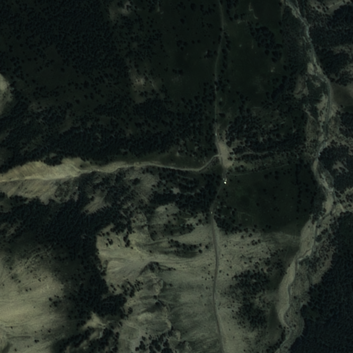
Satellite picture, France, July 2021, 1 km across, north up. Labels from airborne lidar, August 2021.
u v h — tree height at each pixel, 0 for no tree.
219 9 0
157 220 0
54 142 10
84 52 11
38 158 12
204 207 11
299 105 8
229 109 0
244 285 12
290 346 0
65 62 18
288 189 0
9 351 0
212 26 16
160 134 13
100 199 0
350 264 14
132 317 0
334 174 12
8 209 0
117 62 11
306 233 0
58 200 0
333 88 0
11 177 0
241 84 0
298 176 16
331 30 11
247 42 0
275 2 0
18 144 7
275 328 0
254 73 0
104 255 0
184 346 0
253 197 0
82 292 12
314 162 0
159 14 0
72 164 0
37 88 9
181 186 16
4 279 0
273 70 0
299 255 0
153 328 0
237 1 24
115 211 10
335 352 17
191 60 0
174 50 0
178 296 0
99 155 14
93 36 12
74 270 0
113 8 0
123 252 0
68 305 0
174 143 12
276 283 0
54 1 13
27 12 10
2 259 0
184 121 12
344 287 19
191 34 0
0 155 0
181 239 0
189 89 0
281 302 0
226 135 7
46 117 11
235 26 0
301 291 0
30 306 0
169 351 15
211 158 0
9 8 10
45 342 0
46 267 0
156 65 0
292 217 0
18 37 9
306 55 7
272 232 0
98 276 8
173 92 0
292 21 8
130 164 0
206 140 12
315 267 6
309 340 23
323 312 19
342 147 7
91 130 20
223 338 0
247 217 0
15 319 0
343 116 12
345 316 20
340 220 11
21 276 0
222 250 0
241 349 0
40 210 18
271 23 0
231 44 12
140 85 0
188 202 14
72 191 0
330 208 0
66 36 13
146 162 0
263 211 0
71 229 13
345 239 11
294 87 8
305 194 0
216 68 0
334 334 15
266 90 0
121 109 10
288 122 0
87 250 12
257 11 0
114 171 0
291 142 11
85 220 20
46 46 8
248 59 0
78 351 0
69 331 0
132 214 13
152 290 0
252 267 0
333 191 0
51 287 0
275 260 0
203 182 0
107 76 24
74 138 22
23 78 18
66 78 0
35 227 7
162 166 0
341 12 24
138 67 13
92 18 15
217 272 0
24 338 0
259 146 16
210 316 0
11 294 0
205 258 0
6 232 12
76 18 19
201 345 0
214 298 0
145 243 0
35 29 8
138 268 0
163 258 0
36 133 9
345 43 18
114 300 17
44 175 0
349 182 10
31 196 0
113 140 16
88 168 0
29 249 0
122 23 6
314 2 0
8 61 0
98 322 0
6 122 15
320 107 0
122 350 0
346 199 8
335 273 16
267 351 10
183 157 0
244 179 0
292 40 10
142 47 9
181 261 0
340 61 16
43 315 0
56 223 11
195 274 0
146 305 0
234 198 0
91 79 8
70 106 16
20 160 16
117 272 0
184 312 0
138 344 0
